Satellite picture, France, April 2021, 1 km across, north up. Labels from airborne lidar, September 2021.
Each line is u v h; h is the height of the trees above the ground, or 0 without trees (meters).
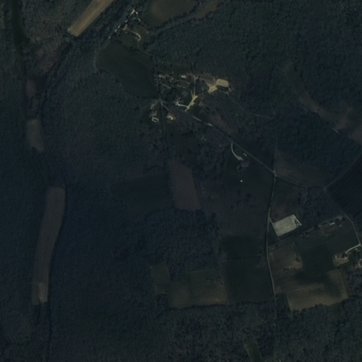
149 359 15
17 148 23
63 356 13
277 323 15
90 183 15
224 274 0
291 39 20
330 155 21
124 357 17
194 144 0
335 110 21
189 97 0
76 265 13
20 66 0
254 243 0
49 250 0
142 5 8
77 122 15
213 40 18
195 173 13
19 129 23
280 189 0
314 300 0
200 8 15
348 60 14
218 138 18
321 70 21
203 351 9
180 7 0
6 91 13
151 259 19
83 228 14
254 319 19
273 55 19
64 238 14
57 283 14
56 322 25
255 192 0
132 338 25
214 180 10
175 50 18
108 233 21
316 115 16
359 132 0
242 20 20
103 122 15
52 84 14
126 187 0
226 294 0
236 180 0
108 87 19
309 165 16
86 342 15
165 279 0
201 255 8
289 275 0
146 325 22
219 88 0
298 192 0
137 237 23
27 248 17
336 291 0
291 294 0
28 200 18
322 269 0
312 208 19
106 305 15
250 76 16
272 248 0
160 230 19
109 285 15
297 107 21
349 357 21
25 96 0
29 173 19
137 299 15
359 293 18
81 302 13
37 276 0
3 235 15
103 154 13
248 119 21
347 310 21
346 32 18
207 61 19
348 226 0
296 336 12
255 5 19
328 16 21
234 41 26
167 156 13
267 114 20
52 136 11
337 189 0
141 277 21
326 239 0
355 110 18
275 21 19
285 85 23
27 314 12
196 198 0
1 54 16
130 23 10
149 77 0
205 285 0
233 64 22
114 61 0
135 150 19
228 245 0
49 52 25
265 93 19
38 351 23
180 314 15
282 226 0
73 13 18
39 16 14
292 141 22
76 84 11
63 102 16
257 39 20
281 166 0
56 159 16
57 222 0
